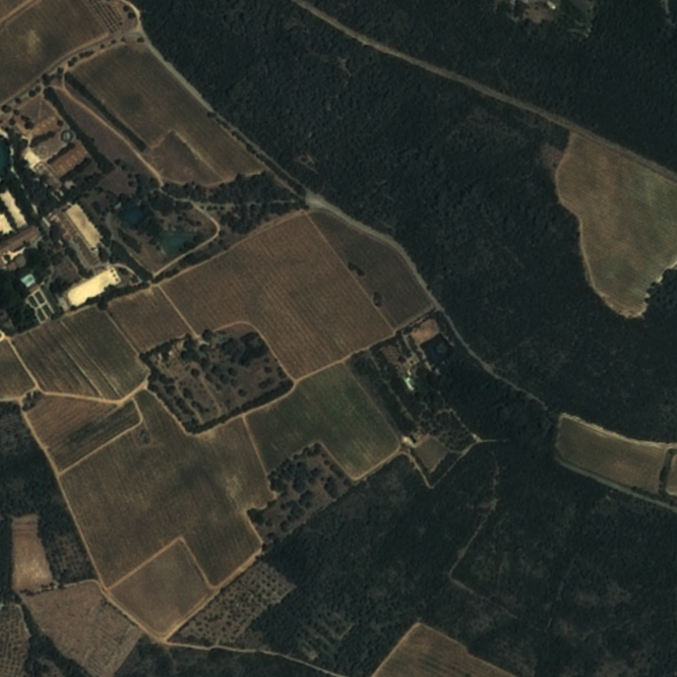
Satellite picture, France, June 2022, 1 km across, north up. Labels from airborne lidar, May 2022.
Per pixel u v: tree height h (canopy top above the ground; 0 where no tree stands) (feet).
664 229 0
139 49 0
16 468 19
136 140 17
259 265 0
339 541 31
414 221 24
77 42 0
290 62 31
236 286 0
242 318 0
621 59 27
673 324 19
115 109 0
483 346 20
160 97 0
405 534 19
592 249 0
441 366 23
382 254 0
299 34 41
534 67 33
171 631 0
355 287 0
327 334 0
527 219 25
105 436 0
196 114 0
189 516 0
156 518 0
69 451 0
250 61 19
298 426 0
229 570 0
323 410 0
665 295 56
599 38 42
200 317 0
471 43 18
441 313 29
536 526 20
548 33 19
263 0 36
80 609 0
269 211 51
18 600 41
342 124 38
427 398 32
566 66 27
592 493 20
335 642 35
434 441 0
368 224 25
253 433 0
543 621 20
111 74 0
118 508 0
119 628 0
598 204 0
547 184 27
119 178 0
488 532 18
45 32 0
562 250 18
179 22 25
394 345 20
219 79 21
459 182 23
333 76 29
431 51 26
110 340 0
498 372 19
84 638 0
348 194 19
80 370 0
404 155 50
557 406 38
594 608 20
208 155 0
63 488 0
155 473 0
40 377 0
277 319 0
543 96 26
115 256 38
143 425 0
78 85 31
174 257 0
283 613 30
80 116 0
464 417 27
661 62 21
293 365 0
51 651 22
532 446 49
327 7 37
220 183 0
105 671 0
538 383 19
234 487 0
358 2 37
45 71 0
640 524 20
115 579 0
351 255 0
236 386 36
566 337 20
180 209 25
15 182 47
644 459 0
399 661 0
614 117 19
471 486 20
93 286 0
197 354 22
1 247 0
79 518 0
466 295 21
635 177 0
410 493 19
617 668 0
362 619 30
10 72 0
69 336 0
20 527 0
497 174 18
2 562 27
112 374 0
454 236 33
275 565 39
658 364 17
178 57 44
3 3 0
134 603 0
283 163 24
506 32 22
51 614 0
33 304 0
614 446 0
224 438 0
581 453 0
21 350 0
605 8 27
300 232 0
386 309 0
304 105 37
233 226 26
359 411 0
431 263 25
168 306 0
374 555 20
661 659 33
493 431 24
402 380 26
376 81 27
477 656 20
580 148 0
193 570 0
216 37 17
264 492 0
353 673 36
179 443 0
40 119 0
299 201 21
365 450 0
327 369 0
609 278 0
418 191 38
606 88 24
